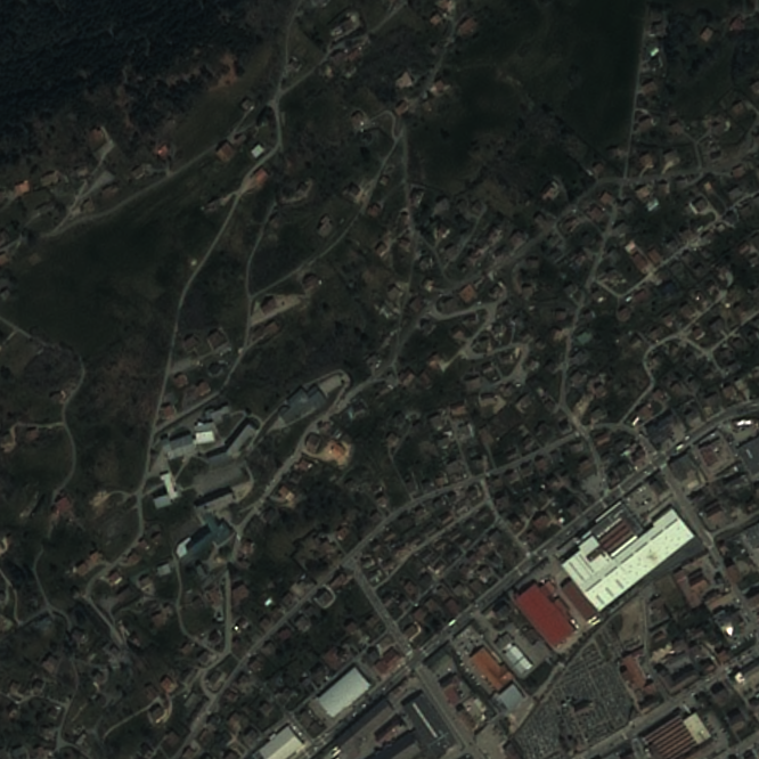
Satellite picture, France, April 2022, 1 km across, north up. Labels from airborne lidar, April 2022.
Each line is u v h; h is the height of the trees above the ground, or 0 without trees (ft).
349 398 0
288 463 0
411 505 0
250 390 0
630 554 0
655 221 0
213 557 0
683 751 0
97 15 75
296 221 0
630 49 0
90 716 0
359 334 38
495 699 0
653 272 0
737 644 0
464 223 38
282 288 0
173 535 0
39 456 0
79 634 0
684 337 0
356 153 0
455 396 0
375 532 0
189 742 0
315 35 18
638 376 0
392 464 0
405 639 0
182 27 42
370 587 0
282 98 0
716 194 0
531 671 0
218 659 0
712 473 0
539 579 0
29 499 0
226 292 0
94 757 0
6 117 62
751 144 0
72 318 0
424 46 0
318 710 0
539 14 0
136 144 26
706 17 58
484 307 0
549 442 0
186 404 0
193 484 0
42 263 0
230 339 0
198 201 0
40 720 28
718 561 0
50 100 58
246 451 40
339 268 0
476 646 0
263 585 0
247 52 34
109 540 0
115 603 0
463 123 0
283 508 19
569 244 0
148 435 0
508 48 0
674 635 19
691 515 0
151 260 0
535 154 0
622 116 0
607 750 0
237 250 0
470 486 0
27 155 36
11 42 86
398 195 0
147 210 0
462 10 0
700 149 0
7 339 43
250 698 0
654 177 0
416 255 0
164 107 23
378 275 0
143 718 0
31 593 30
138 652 38
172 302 0
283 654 35
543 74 0
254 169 0
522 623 0
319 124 0
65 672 0
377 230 0
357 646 0
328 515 22
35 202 0
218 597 0
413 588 0
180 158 31
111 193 0
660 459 0
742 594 0
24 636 28
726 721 19
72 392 0
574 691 0
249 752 0
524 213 0
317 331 0
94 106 28
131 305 0
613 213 0
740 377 24
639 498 0
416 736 0
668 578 0
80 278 0
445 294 0
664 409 0
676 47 72
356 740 0
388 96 58
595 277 0
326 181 24
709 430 0
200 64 22
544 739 0
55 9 74
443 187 0
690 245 0
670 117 54
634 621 0
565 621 0
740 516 0
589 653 0
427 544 0
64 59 67
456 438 0
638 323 0
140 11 76
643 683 0
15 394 0
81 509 0
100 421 0
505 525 0
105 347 0
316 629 56
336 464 0
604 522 0
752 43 62
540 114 32
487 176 30
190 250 0
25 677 0
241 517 51
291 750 0
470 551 0
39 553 0
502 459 0
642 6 0
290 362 0
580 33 0
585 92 0
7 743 46
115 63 44
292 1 63
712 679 0
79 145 20
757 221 0
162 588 0
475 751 0
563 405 0
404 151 0
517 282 0
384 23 0
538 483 27
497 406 0
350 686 0
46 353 22
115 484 0
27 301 0
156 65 39
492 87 0
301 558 0
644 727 0
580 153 0
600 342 37
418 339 0
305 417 0
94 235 0
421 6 48
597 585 0
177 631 0
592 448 0
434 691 0
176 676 0
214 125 0
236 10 93
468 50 0
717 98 0
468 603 0
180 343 33
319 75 22
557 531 0
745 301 0
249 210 0
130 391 0
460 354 0
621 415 0
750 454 0
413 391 0
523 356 0
